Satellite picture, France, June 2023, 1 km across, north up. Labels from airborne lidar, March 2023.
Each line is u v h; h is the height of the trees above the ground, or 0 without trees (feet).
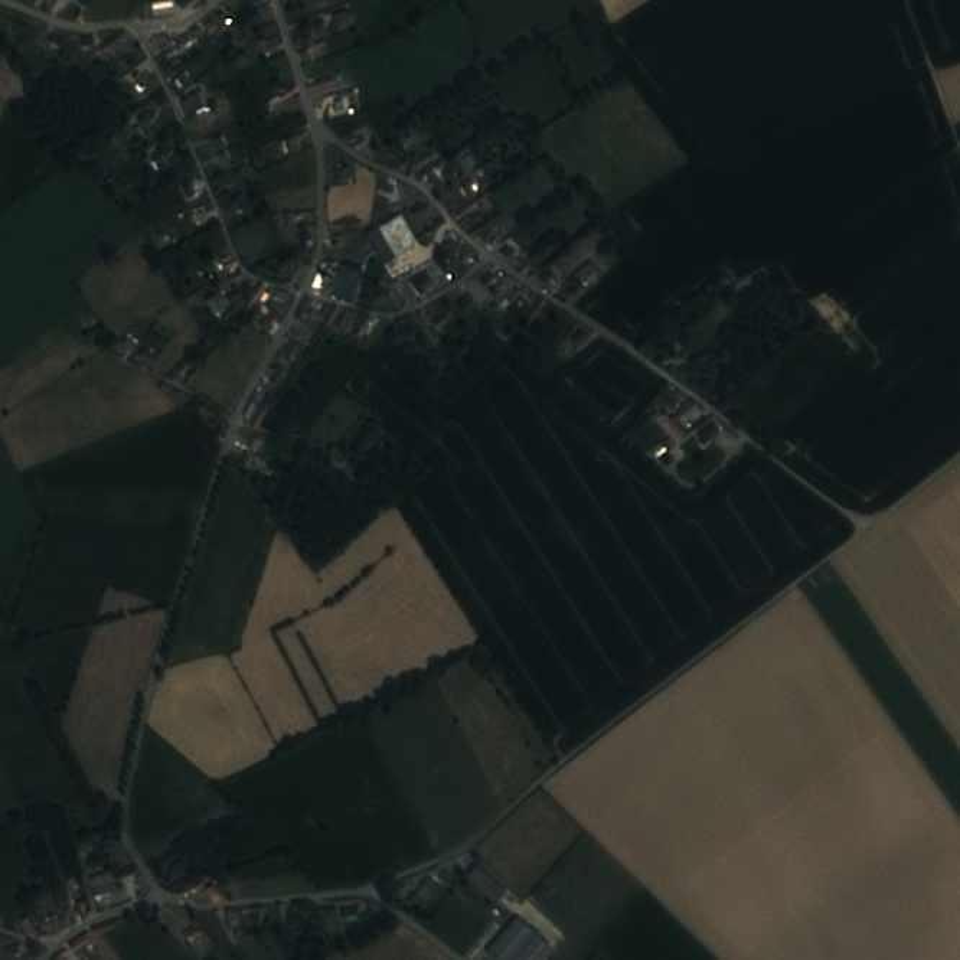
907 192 0
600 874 0
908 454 0
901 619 0
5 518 0
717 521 0
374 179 0
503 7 0
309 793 0
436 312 0
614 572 0
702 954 0
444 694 0
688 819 0
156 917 36
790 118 0
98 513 0
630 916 0
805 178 0
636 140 0
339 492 50
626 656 0
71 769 87
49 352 0
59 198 0
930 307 0
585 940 0
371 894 0
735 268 0
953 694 0
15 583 0
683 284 0
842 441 0
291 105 0
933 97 0
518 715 0
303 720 0
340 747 0
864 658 0
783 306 65
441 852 0
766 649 0
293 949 0
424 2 0
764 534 0
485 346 76
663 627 0
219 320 26
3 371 0
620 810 0
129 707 0
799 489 0
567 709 0
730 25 0
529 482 0
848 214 0
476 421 0
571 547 0
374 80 0
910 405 0
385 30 0
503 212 0
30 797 0
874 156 0
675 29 0
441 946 0
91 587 0
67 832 92
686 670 0
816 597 0
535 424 0
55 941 0
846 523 0
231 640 0
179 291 21
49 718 100
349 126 0
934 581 0
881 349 0
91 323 0
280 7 0
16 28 0
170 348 0
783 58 0
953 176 0
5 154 0
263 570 0
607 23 0
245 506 0
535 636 0
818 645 0
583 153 0
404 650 0
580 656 0
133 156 28
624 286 0
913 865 0
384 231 0
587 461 0
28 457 0
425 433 0
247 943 0
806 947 0
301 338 0
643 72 0
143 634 0
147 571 0
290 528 73
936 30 0
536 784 0
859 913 0
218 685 0
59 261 0
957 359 0
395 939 0
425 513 0
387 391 0
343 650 0
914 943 0
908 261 0
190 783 0
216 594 0
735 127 0
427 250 0
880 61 0
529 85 0
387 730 0
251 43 0
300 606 0
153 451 0
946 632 0
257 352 0
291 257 49
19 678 0
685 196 0
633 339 0
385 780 0
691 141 0
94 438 0
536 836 0
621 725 0
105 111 68
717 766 0
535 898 0
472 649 18
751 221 0
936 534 0
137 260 0
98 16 0
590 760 0
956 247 0
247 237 0
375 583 0
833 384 0
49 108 71
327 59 0
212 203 0
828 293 0
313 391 86
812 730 0
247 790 0
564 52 33
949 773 0
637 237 0
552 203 61
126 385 0
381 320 0
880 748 0
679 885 0
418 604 0
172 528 0
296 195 0
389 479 54
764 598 0
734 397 104
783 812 0
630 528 0
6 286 0
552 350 0
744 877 0
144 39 0
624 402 0
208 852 94
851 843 0
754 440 58
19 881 0
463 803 0
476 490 0
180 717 0
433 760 0
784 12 0
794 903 0
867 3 0
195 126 0
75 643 0
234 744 0
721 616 0
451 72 0
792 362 0
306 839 0
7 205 0
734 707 0
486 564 0
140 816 0
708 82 0
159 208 0
